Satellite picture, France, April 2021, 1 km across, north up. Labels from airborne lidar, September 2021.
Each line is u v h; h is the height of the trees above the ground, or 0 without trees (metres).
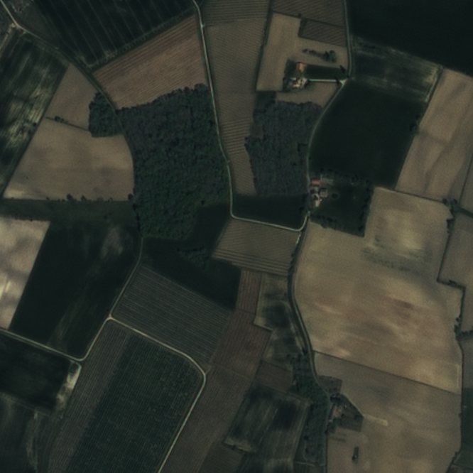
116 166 0
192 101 20
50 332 0
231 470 0
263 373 0
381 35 0
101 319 0
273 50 0
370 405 0
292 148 19
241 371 0
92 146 0
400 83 0
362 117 0
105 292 0
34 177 0
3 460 0
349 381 0
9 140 0
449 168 0
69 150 0
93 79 0
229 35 0
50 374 0
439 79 0
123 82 0
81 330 0
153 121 8
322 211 0
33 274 0
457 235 0
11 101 0
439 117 0
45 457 0
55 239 0
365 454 0
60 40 0
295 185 22
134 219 0
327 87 0
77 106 0
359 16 0
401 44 0
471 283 0
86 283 0
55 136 0
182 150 23
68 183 0
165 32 0
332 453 0
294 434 0
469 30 0
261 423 0
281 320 0
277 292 0
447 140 0
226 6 0
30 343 0
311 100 0
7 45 0
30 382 0
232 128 0
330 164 0
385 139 0
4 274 0
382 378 0
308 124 18
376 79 0
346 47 0
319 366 0
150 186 20
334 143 0
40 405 0
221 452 0
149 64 0
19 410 0
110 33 0
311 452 11
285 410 0
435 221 0
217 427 0
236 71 0
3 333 0
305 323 0
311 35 0
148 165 23
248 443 0
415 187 0
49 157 0
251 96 0
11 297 0
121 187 0
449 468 0
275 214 0
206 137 21
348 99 0
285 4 0
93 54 0
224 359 0
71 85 0
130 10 0
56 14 0
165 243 0
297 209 0
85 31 0
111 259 0
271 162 18
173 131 20
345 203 0
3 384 0
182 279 0
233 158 0
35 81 0
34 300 0
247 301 0
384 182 0
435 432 0
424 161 0
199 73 0
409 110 0
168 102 18
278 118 15
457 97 0
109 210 0
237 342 0
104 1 0
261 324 0
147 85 0
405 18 0
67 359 0
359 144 0
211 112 19
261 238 0
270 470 0
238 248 0
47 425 0
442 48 0
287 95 0
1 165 0
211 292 0
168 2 0
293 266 11
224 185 15
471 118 0
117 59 0
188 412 0
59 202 8
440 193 0
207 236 0
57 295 0
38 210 0
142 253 0
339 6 0
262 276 0
